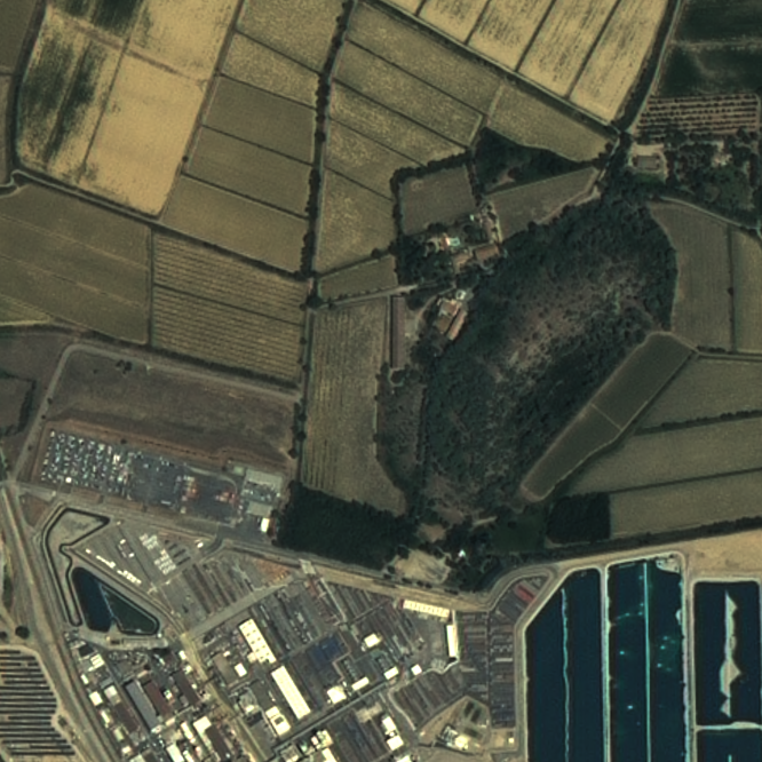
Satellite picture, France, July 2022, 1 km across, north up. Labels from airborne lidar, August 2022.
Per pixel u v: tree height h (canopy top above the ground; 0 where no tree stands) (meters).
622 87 0
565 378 7
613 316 6
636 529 0
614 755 0
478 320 15
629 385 0
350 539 8
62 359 0
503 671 0
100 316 0
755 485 0
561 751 0
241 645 0
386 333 0
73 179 0
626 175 11
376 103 0
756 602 0
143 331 0
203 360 6
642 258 6
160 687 0
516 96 0
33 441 0
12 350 0
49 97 0
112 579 0
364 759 0
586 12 0
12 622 0
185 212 0
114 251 0
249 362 0
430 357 7
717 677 0
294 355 0
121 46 0
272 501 0
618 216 16
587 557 0
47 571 0
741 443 0
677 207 0
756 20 0
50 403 8
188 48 0
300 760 0
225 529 0
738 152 7
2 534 0
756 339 0
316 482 0
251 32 0
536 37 0
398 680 0
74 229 0
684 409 0
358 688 0
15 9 0
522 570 0
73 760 0
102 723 0
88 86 0
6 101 0
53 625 0
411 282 15
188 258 0
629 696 0
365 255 0
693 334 0
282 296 0
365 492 0
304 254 13
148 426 0
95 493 0
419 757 0
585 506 12
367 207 0
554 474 0
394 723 0
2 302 0
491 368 0
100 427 0
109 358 0
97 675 0
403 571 0
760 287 0
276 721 0
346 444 0
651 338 0
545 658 0
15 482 0
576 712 0
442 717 0
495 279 11
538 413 15
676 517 0
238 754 0
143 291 0
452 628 0
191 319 0
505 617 0
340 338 0
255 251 0
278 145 0
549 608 0
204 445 0
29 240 0
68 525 0
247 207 0
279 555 0
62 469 0
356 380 0
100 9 0
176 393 0
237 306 0
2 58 0
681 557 0
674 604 0
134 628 0
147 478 0
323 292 0
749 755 0
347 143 0
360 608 0
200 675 0
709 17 0
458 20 0
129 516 0
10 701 0
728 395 0
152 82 0
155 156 0
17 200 0
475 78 0
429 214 0
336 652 0
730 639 0
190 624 0
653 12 0
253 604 0
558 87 0
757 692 0
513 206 0
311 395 0
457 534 17
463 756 0
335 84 0
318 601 0
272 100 0
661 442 0
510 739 0
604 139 0
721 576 0
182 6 0
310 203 11
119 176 0
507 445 6
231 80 0
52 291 0
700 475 0
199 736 0
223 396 0
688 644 0
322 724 0
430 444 12
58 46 0
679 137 11
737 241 0
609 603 0
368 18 0
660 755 0
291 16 0
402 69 0
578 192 0
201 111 0
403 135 0
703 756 0
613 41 0
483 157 13
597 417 0
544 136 0
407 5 0
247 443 0
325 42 0
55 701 0
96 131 0
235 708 0
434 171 9
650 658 0
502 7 0
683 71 0
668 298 18
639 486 0
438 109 0
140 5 0
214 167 0
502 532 0
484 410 8
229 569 0
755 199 8
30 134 0
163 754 0
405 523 13
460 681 0
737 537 0
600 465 0
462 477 10
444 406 12
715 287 0
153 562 0
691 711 0
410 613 0
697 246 0
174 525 0
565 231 6
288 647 0
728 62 0
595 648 0
